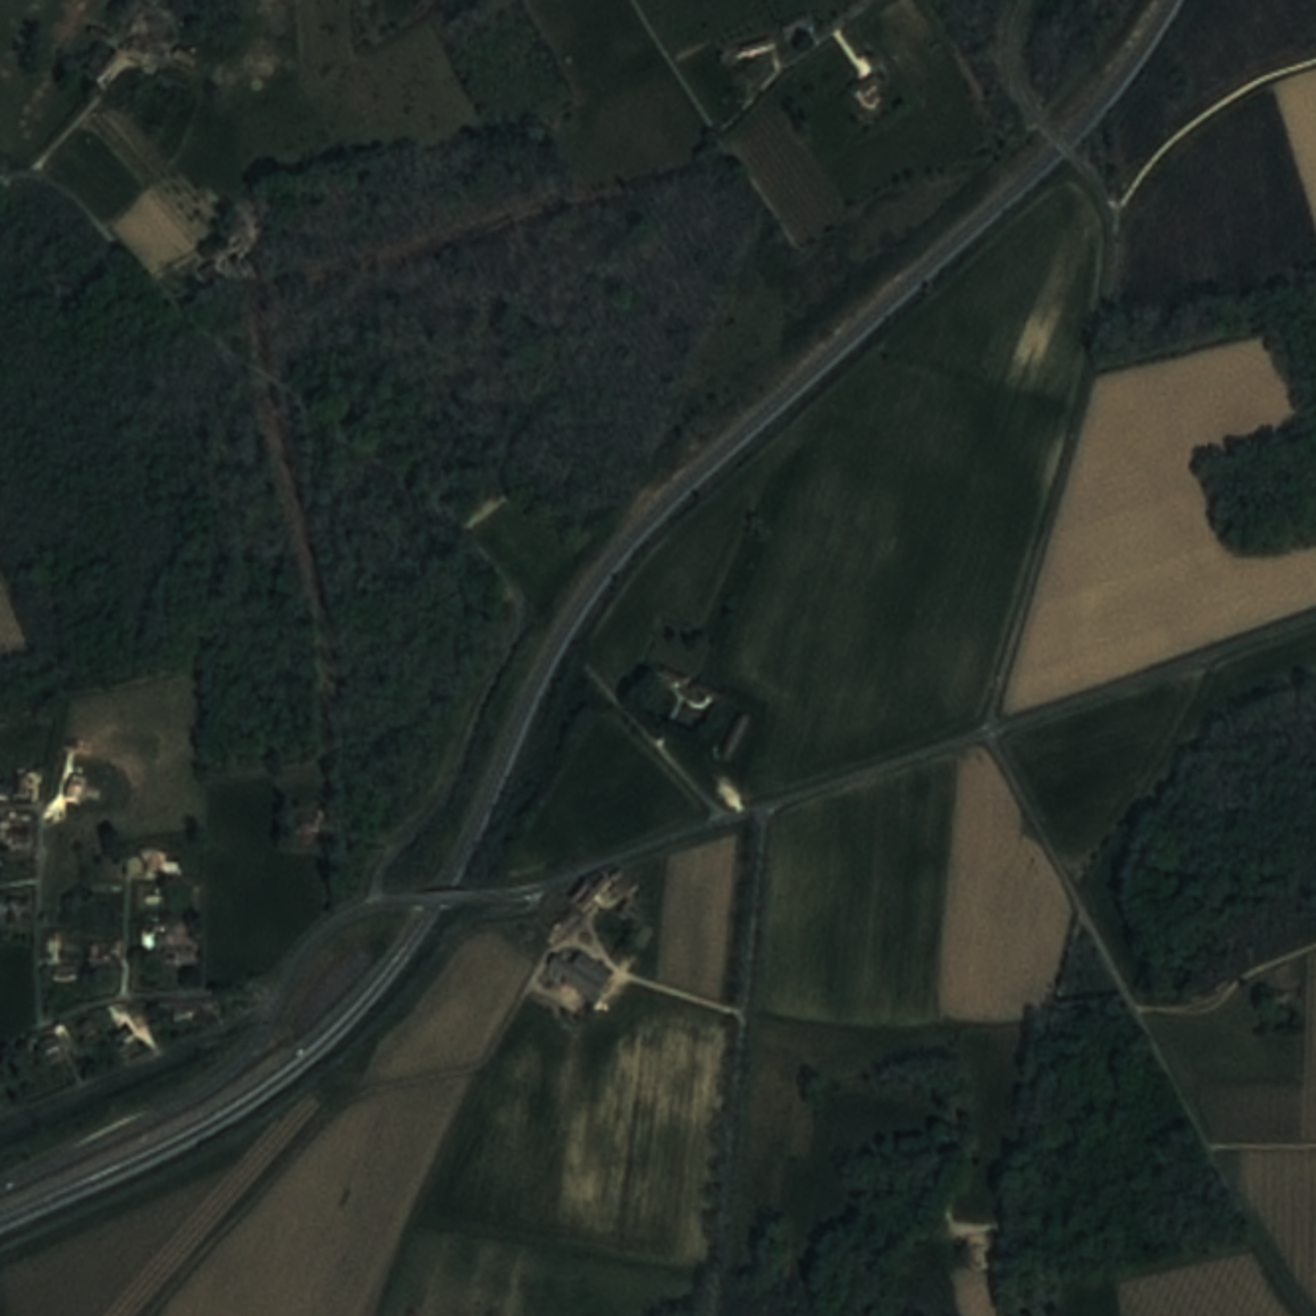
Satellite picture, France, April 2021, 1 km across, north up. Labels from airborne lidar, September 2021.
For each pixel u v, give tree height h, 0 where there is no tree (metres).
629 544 0
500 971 0
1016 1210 25
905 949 0
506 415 13
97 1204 0
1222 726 17
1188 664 0
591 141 0
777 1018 0
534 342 24
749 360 0
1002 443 0
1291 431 7
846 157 0
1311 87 0
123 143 0
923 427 0
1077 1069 26
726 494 0
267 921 0
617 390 19
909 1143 12
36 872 0
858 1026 0
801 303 0
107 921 17
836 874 0
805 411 0
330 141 0
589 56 0
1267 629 0
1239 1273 0
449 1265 0
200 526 23
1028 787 0
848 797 0
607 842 0
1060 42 11
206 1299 0
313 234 16
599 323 18
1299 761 17
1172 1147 23
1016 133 9
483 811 0
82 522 21
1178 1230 19
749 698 0
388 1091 0
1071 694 0
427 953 0
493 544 0
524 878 0
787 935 0
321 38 0
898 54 0
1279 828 19
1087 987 12
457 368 18
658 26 0
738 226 17
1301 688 6
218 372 19
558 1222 0
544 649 0
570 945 0
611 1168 0
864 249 0
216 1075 0
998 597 0
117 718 0
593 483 18
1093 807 0
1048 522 0
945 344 0
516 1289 0
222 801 0
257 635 24
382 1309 0
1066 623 0
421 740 19
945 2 15
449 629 24
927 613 0
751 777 0
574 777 0
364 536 15
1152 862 19
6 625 0
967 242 0
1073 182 0
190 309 14
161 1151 0
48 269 22
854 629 0
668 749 0
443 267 23
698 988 0
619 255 19
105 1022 0
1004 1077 0
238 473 11
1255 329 13
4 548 20
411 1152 0
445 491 25
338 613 21
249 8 12
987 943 0
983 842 0
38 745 9
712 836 0
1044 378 0
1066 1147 13
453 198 21
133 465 23
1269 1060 0
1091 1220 17
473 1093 0
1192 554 0
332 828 18
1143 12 0
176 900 19
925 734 0
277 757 14
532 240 11
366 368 14
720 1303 15
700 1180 0
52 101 0
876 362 0
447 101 0
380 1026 0
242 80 0
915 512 0
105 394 17
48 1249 0
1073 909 0
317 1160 0
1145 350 21
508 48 13
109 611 21
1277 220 0
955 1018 0
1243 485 19
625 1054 0
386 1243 0
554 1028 0
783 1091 0
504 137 16
